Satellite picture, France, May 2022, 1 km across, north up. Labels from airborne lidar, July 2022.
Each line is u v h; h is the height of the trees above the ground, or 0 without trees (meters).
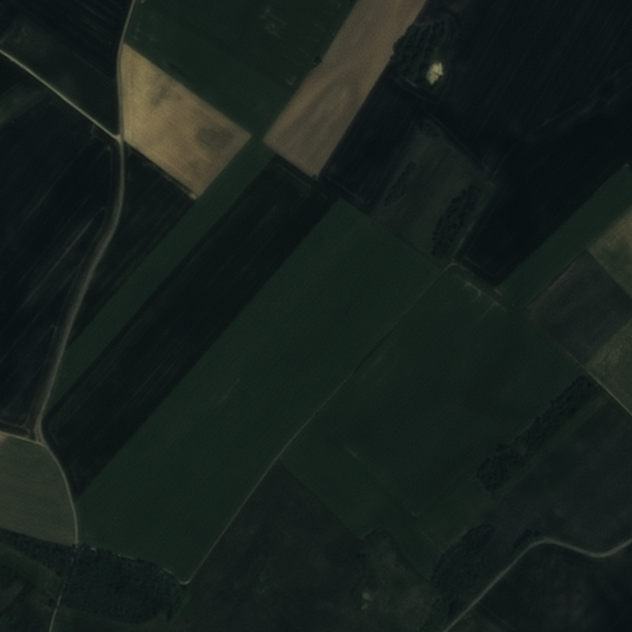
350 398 0
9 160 0
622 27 0
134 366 0
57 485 0
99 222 0
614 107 0
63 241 0
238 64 0
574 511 0
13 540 14
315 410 0
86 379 0
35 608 0
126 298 0
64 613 0
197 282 0
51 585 0
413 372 0
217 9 0
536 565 0
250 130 0
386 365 0
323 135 0
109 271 0
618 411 0
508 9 0
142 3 0
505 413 0
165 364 0
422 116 0
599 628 0
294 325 0
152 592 16
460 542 7
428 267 0
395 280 0
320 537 0
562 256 0
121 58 0
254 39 0
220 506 0
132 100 0
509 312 0
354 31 0
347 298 0
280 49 0
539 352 0
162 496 0
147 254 0
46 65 0
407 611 0
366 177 0
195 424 0
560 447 0
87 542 0
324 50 0
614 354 0
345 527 0
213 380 0
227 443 0
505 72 0
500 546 0
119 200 0
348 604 0
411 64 12
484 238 0
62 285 0
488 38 0
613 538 0
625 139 0
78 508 0
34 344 0
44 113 0
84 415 0
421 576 0
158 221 0
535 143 0
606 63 0
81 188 0
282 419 0
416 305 0
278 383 0
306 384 0
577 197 0
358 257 0
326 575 0
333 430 0
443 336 0
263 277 0
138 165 0
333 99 0
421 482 0
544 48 0
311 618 0
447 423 0
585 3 0
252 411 0
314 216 0
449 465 0
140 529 0
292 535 0
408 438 0
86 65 0
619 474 0
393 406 0
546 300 0
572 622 0
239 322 0
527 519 0
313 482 0
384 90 0
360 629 0
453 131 0
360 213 0
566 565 0
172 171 0
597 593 0
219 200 0
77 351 0
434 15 0
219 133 0
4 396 0
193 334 0
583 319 0
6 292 0
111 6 0
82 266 0
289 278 0
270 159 0
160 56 0
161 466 0
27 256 0
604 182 0
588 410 0
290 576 0
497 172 0
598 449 0
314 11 0
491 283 0
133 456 0
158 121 0
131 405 0
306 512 0
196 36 0
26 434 0
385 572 0
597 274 0
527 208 0
